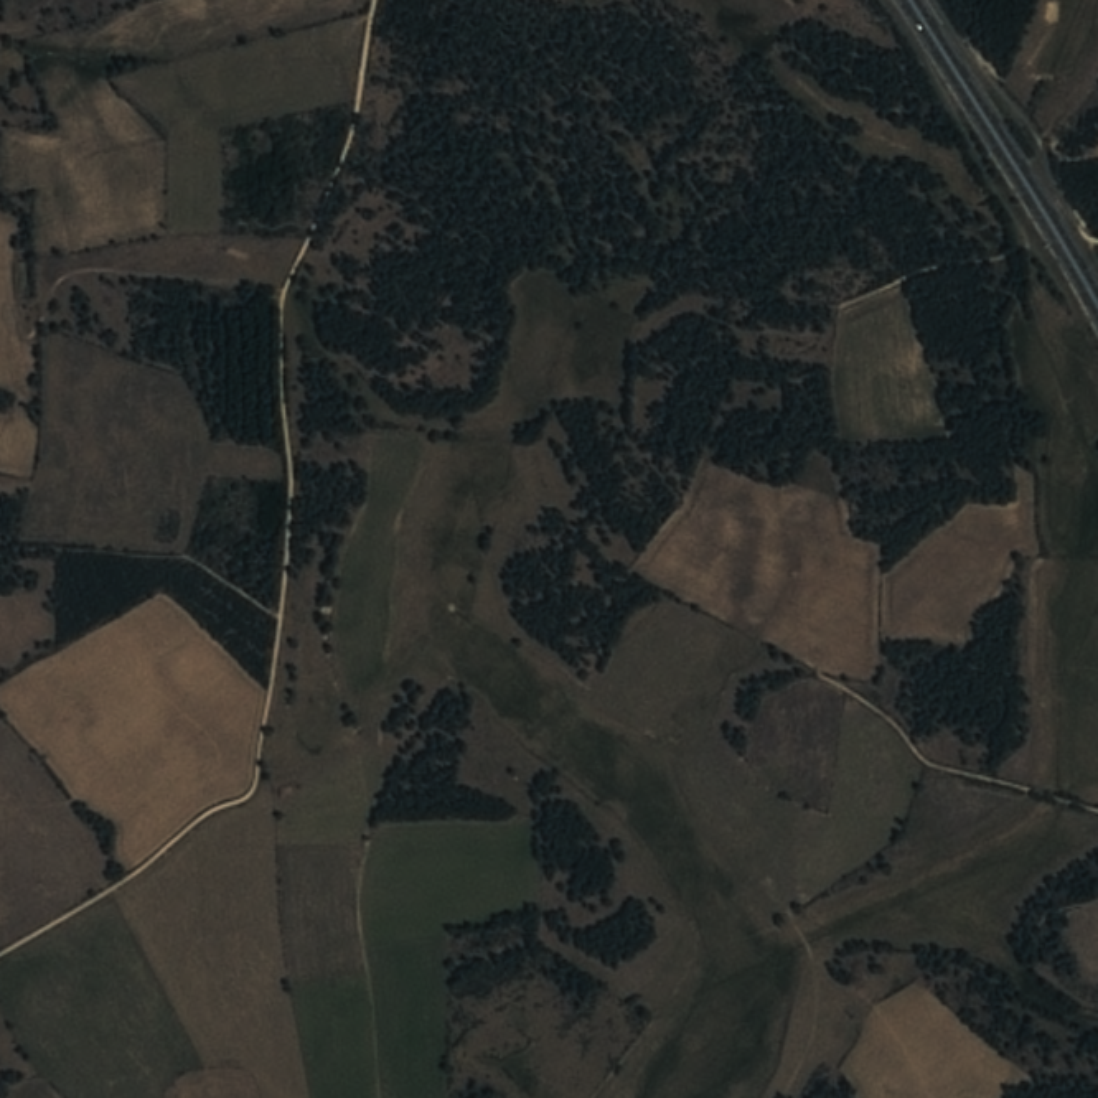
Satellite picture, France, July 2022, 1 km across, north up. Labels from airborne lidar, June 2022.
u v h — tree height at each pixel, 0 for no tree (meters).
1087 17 0
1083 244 0
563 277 15
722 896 0
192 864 0
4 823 0
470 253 17
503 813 14
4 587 11
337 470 16
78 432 0
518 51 20
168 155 0
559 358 0
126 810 0
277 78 0
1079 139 7
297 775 0
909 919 0
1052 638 0
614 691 0
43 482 0
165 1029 0
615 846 13
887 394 0
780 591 0
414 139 17
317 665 0
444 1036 0
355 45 0
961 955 11
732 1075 0
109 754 0
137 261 0
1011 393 13
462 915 0
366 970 0
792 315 18
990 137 0
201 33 0
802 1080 0
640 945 14
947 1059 0
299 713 0
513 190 18
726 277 17
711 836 0
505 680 0
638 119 19
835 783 0
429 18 9
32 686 0
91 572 7
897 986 0
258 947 0
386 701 0
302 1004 0
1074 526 0
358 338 16
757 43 0
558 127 13
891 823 0
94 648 0
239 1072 0
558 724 0
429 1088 0
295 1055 0
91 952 0
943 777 0
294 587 0
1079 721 0
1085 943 0
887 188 21
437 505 0
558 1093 0
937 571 0
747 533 0
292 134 6
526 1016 0
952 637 0
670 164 18
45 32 15
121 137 0
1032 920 10
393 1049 0
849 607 0
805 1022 0
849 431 0
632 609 15
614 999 0
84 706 0
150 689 0
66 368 0
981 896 0
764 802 0
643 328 0
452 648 0
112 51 0
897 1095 0
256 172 6
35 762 0
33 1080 0
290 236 0
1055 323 0
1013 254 12
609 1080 0
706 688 0
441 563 0
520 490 0
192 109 0
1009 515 0
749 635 0
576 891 12
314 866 0
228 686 0
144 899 0
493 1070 0
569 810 17
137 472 0
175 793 0
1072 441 0
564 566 19
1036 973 10
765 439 14
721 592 0
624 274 10
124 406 0
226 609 7
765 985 0
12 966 0
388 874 0
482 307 11
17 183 0
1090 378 0
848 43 15
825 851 0
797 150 19
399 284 18
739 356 16
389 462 0
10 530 13
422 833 0
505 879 0
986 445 18
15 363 0
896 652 14
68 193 0
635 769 0
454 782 16
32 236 14
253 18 0
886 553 13
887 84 17
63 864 0
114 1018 0
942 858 0
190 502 0
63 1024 0
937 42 0
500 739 0
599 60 14
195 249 0
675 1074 0
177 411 0
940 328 13
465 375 0
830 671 0
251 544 13
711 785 0
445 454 0
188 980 0
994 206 9
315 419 18
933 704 16
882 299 0
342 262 15
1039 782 0
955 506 11
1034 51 0
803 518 0
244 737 0
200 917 0
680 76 16
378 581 0
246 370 19
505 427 0
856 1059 0
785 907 0
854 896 0
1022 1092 17
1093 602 0
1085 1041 14
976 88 0
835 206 17
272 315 18
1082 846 0
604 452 8
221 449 0
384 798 15
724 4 0
